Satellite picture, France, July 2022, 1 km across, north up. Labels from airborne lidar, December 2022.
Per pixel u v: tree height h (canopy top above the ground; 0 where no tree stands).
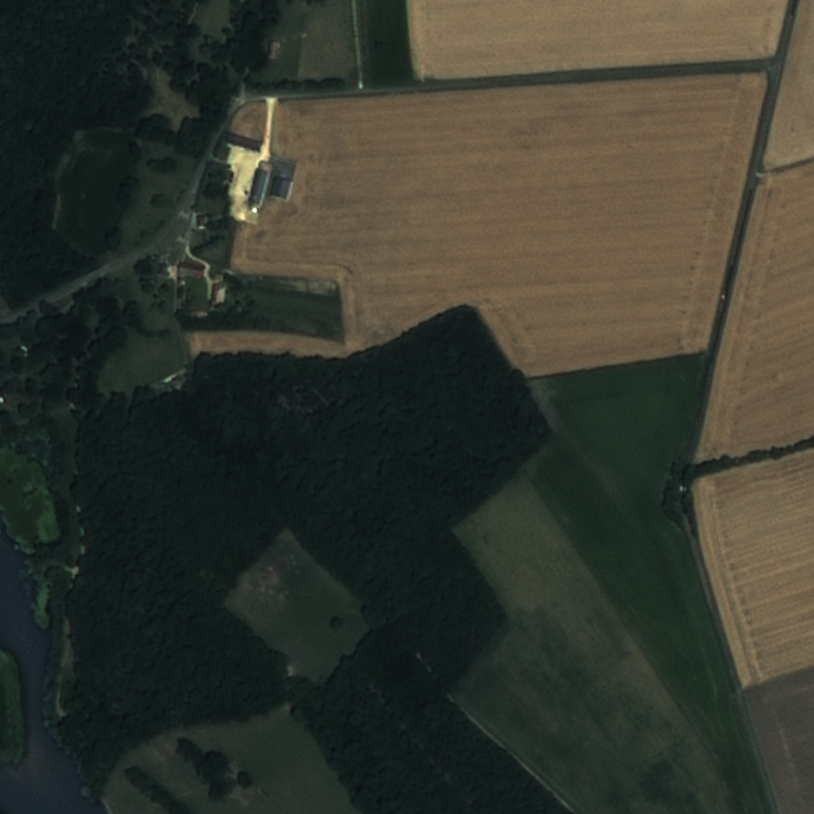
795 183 0
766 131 0
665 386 0
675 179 0
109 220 0
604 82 0
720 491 0
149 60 18
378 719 19
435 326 12
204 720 18
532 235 0
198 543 18
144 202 0
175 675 18
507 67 0
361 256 0
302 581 0
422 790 17
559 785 0
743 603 0
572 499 0
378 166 0
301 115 0
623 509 0
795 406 0
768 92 0
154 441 19
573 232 0
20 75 17
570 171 0
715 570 0
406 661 10
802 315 0
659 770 0
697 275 0
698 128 0
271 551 0
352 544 18
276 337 0
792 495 0
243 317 7
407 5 0
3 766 0
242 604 0
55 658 15
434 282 0
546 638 0
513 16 0
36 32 16
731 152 0
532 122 0
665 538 0
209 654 21
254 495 18
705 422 0
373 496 22
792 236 0
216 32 0
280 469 20
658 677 0
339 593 0
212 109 12
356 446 25
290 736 0
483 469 24
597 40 0
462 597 19
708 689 0
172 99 0
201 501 16
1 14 13
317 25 0
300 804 0
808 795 0
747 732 0
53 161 18
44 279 18
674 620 0
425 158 0
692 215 0
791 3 0
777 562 0
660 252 0
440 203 0
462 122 0
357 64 0
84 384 15
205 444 11
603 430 0
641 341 0
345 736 10
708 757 0
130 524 19
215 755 15
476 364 21
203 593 15
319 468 21
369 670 17
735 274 0
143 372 0
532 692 0
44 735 0
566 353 0
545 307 0
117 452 25
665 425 0
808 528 0
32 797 0
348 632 0
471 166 0
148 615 23
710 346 0
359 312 0
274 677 20
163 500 18
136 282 0
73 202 0
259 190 0
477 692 0
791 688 0
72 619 15
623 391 0
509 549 0
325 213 0
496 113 0
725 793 0
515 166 0
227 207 6
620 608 0
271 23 7
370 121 0
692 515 11
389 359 20
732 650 0
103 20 14
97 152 0
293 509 16
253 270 0
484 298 0
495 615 13
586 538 0
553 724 0
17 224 17
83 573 6
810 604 0
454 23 0
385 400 23
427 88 0
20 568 0
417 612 19
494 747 17
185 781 0
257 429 19
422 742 18
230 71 18
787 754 0
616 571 0
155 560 13
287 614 0
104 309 15
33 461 0
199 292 0
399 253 0
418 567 18
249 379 13
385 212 0
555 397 0
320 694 16
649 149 0
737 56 0
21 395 11
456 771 15
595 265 0
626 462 0
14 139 15
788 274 0
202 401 17
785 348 0
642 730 0
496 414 27
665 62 0
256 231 0
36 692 0
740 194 0
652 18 0
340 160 0
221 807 0
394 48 0
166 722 13
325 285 0
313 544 14
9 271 16
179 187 0
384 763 17
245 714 21
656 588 0
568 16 0
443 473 25
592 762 0
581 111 0
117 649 13
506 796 16
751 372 0
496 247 0
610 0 0
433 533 15
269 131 0
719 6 0
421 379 21
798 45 0
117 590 9
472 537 0
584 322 0
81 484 16
